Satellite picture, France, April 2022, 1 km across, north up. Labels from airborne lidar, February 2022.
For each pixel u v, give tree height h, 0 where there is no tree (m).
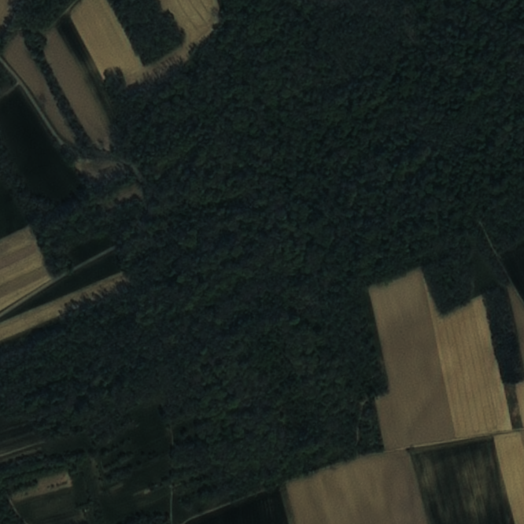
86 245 0
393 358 0
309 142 32
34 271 0
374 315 0
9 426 0
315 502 0
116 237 25
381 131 21
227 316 23
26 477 12
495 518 0
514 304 0
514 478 0
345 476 0
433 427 0
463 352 0
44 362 29
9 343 0
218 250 37
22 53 0
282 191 23
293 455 33
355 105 30
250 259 35
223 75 12
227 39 22
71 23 0
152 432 0
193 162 31
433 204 30
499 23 26
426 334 0
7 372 31
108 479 14
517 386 0
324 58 33
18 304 0
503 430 0
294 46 34
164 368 24
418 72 24
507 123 30
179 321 31
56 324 0
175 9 0
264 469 30
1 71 0
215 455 32
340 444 25
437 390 0
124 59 0
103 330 34
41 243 9
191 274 32
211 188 31
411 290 0
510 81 13
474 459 0
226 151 32
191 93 34
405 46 33
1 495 25
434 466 0
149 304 34
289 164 33
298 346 31
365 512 0
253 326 28
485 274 0
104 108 0
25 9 35
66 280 0
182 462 19
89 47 0
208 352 24
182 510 0
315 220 28
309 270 26
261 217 29
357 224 27
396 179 15
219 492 26
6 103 0
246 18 29
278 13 29
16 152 0
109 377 32
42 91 0
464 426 0
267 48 33
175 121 32
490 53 30
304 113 31
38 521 0
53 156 0
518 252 0
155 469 0
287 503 0
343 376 33
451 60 30
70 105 17
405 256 25
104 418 27
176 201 29
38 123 0
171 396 24
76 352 27
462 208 26
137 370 29
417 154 32
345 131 24
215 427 31
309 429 28
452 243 30
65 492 0
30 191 20
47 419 21
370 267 24
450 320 0
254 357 33
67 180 0
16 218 0
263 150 36
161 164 33
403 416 0
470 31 32
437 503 0
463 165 21
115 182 31
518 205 32
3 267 0
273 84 32
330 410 33
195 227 35
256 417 39
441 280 22
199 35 0
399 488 0
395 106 27
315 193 17
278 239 37
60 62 0
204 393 33
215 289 29
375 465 0
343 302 27
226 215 25
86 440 0
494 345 11
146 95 28
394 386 0
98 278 0
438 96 27
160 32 11
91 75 0
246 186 29
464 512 0
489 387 0
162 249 30
